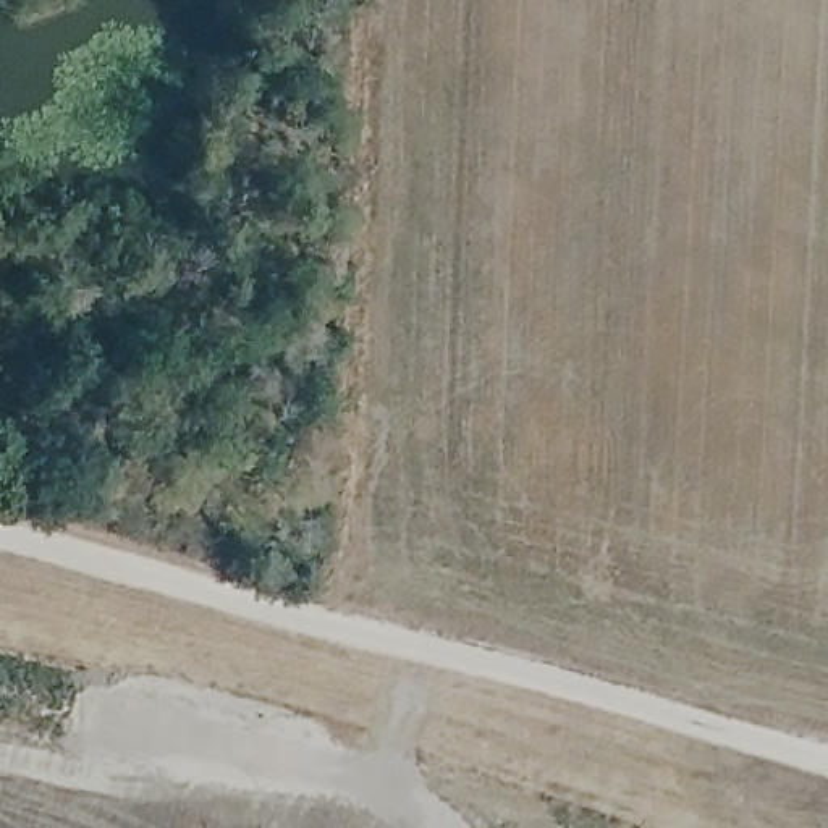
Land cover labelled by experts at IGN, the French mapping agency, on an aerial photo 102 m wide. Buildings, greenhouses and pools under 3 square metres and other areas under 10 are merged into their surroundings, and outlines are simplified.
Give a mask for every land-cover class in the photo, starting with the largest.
<instances>
[{"label":"plowed land","instance_id":"1","mask_svg":"<svg viewBox=\"0 0 828 828\"><path fill-rule=\"evenodd\" d=\"M346 104L359 110V126H369L365 155L353 162L359 184L353 188V194H343L359 207V220L349 226V236L343 243L330 246L336 281L346 275V268H356V288L346 304L343 323V330L353 336V346L343 353L336 365V414L343 420L340 440L343 453L349 456V469L343 501L333 508L336 553L323 563L320 592L307 602L327 611L362 615L411 631H430L446 640L482 644L485 650H518L540 663L579 676H595L611 686L653 692L670 702L692 705L721 718H737L799 737L815 734L818 741H828V0H369L349 19V71L343 78Z\"/></svg>","mask_w":828,"mask_h":828},{"label":"deciduous trees","instance_id":"2","mask_svg":"<svg viewBox=\"0 0 828 828\"><path fill-rule=\"evenodd\" d=\"M84 0H0V10H6L19 26H32L49 16L78 10ZM369 0H230L220 16V32L210 39L204 52L213 58L210 84L197 91V97L188 107V123H181V129L175 133V139L184 146V152L175 162V175L181 181L168 184L152 204L136 191L113 188L97 191L91 201H81L71 188H61V194H45L42 181L52 171L49 165L29 168L16 155V146L6 139L10 133H3L0 136V259L26 262L32 281L39 285V294L26 301L0 291V307L6 320L26 323L42 314L52 323V330L71 333L68 369L61 372L58 388L45 398V404L29 408L19 417L0 424V524L29 521L32 527L49 534L68 524H91L104 530L107 521L120 518L123 505H139L142 498L155 501L158 511L168 514H197L210 488L223 479H239L243 492H252L259 482L278 488L281 475L291 472L288 463L294 459V453L311 446V430L320 420V414H336V365L343 353L353 346V336L343 330L340 336H327V353L317 362V398H311L307 404H291L281 414H272L252 404V391L243 385L249 382V372L256 365H265L272 356H285L288 343L298 333H307L311 323L327 330L330 320L343 323L346 304L356 288V268H346V275L336 281L330 246L343 243L349 236V226L359 220V207L343 194H353V188L359 184L353 162L365 155L369 126H359V110L346 104L343 78L349 71V19ZM97 298L113 311L116 304L142 298L152 307L155 320L146 330H136L133 336L104 349L94 340L91 317L84 314ZM104 365L123 375L116 401V440H104V424H94L84 446L78 440L52 433V420L61 411H71L74 401L97 388ZM249 576L239 585L252 589L262 598H285L291 605L307 602L320 592L323 563L336 553L333 508H281L268 524V537L249 547Z\"/></svg>","mask_w":828,"mask_h":828},{"label":"herbaceous vegetation","instance_id":"3","mask_svg":"<svg viewBox=\"0 0 828 828\"><path fill-rule=\"evenodd\" d=\"M0 291L26 301L39 294V285L32 281L26 262L0 259ZM84 314L91 317L94 340L104 349L133 336L136 330H146L155 320L152 307L142 298L116 304L113 311L97 298ZM71 333L52 330V323L42 314L26 323L6 320L0 307V424L19 417L29 408L45 404V398L58 388L61 372L68 369ZM343 330V323L330 320L327 330L311 323L307 333H298L288 343L285 356H272L265 365H256L249 372V382L243 385L252 391V404L272 414H281L291 404H307L311 398H317V362L327 353V336H340ZM123 375L104 365L97 388L74 401L71 411H61L52 420V433L78 440L84 446L94 424H104V440H116V401ZM343 420L336 414H320V420L311 430V446L294 453V459L288 463L291 472L281 475L278 488L259 482L252 492H243L239 479H223L210 488L197 514H168L158 511L155 501L142 498L139 505H123L120 518L107 521L104 530L126 537L136 547H152L155 556L181 553L191 560H204L210 563L217 579L239 585L249 576V547L268 537V524L281 508H333L343 501L349 469V456L343 453L340 440ZM0 653L65 670V679H71L78 692L94 686H116L129 676H152L272 705L294 718H311L323 725L333 741L353 750L382 747L411 757L417 763L424 786L443 805L459 812L469 828H828V776L776 763L767 757H754L734 747H718L689 734H676L640 718L556 699L537 689L466 676L456 670L401 660L388 653L340 647L333 640L291 634L207 605L168 598L149 589H133L123 582L97 579L45 560L0 550ZM0 828H411L404 818L385 825L365 809L336 805L330 799L314 796L233 792L207 799L191 796L168 802H139L0 773Z\"/></svg>","mask_w":828,"mask_h":828},{"label":"pervious surface","instance_id":"4","mask_svg":"<svg viewBox=\"0 0 828 828\"><path fill-rule=\"evenodd\" d=\"M0 550L45 560L97 579L123 582L133 589H149L168 598L207 605L291 634L333 640L340 647L388 653L401 660L456 670L466 676L537 689L556 699L640 718L676 734H689L718 747H734L754 757H767L776 763L828 776V741H818L815 734L799 737L737 718H721L692 705L670 702L653 692L611 686L595 676H579L540 663L518 650H485L482 644L446 640L430 631H411L362 615L327 611L307 602L291 605L285 598H262L252 589L239 585L217 579L210 563L204 560H191L181 553L155 556L152 547H136L126 537L104 530L91 524H68L49 534L32 527L29 521L0 524ZM0 773L139 802H168L191 796L207 799L233 792L314 796L330 799L336 805L365 809L385 825L404 818L411 828H469L459 812L443 805L424 786L417 763L411 757L382 747L353 750L333 741L323 725L311 718H294L272 705L152 676H129L116 686H94L78 692L71 721L65 725L61 737L0 721Z\"/></svg>","mask_w":828,"mask_h":828},{"label":"water","instance_id":"5","mask_svg":"<svg viewBox=\"0 0 828 828\"><path fill-rule=\"evenodd\" d=\"M230 0H84L78 10L49 16L32 26H19L6 10H0V136L3 133V120L26 116L52 100L55 68L61 65V58L87 45L110 23L158 29L162 61L171 71H178V78H142L152 97L149 129L136 139L126 158L110 168L58 162L52 171L42 181L45 194H61V188H71L81 201H91L97 191L113 188L136 191L152 204L168 184L181 181L175 175V162L184 152V146L175 139V133L181 129V123H188V107L197 97V91L210 84L213 58L204 52L210 39L220 32V16Z\"/></svg>","mask_w":828,"mask_h":828},{"label":"brushwood","instance_id":"6","mask_svg":"<svg viewBox=\"0 0 828 828\"><path fill-rule=\"evenodd\" d=\"M142 78H178V71H171L162 61L158 29L110 23L87 45L61 58V65L55 68L52 100L26 116L3 120V133H10L6 139L16 146V155L29 168L49 165L52 171L58 162L110 168L126 158L136 139L149 129L152 97ZM78 692L71 679H65V670L0 653V721L61 737L65 725L71 721Z\"/></svg>","mask_w":828,"mask_h":828}]
</instances>
